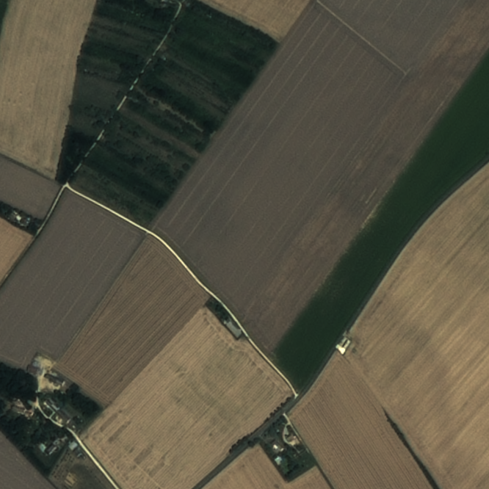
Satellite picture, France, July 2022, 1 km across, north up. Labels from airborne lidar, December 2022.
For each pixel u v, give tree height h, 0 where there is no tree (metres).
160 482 0
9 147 0
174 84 0
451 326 0
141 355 0
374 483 0
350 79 0
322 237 0
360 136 0
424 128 0
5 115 0
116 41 0
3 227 0
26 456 11
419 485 0
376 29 0
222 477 0
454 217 0
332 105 0
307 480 0
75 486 0
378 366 0
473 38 0
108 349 0
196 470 0
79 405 14
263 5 0
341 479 0
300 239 0
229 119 0
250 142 0
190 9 5
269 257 0
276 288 0
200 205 0
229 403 0
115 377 0
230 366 0
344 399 0
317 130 0
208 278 0
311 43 0
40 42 0
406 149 0
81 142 7
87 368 0
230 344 0
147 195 11
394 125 0
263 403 0
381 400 0
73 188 0
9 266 0
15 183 0
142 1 19
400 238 0
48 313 0
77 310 0
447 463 0
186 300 0
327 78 0
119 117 8
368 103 0
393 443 0
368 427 0
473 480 0
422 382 0
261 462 0
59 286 0
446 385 0
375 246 0
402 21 0
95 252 0
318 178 0
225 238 0
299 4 0
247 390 0
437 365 0
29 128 0
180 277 0
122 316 0
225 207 0
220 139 0
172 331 0
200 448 0
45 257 0
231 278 0
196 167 0
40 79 0
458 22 0
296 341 0
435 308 0
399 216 0
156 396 0
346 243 0
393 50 0
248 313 0
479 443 0
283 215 0
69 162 6
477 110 0
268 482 0
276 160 0
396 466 0
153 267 0
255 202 0
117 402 0
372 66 0
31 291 0
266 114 0
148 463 0
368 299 0
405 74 0
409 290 0
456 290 0
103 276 0
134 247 0
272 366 0
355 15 0
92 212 0
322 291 0
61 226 0
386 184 0
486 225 0
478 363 0
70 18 0
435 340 0
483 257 0
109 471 0
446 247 0
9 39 0
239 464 0
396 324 0
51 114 0
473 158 0
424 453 0
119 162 0
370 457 0
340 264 0
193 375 0
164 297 0
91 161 8
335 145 0
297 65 0
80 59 7
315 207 0
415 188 0
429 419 0
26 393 17
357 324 0
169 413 0
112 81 0
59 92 0
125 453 0
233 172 0
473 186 0
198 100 0
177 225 0
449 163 0
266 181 0
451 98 0
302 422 0
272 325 0
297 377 0
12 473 0
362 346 0
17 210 10
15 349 0
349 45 0
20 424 17
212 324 0
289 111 0
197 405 0
